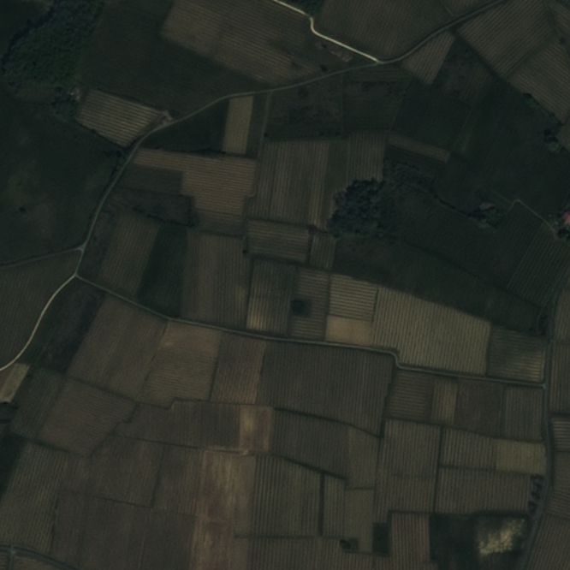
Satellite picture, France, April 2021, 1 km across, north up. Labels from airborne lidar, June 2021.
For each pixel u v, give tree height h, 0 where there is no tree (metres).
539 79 0
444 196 0
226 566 0
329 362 0
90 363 0
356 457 0
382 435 0
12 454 0
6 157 0
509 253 0
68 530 0
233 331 0
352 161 0
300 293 0
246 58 0
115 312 0
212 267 0
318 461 0
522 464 0
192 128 0
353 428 0
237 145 0
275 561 0
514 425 0
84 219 0
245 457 0
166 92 0
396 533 0
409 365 0
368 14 0
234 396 0
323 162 0
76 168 0
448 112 0
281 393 0
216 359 0
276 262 0
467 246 0
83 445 0
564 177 0
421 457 0
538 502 12
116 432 0
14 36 0
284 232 0
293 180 0
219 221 0
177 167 0
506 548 0
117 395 0
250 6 0
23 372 0
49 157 0
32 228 0
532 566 0
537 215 0
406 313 0
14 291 0
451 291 0
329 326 0
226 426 0
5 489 0
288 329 0
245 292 0
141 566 0
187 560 0
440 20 0
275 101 0
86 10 21
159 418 0
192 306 0
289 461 0
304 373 0
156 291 0
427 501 0
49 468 0
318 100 0
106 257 0
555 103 0
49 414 0
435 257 0
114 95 0
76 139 5
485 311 0
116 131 0
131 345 0
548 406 0
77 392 0
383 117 0
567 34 0
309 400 0
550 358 0
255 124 0
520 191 0
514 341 0
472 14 0
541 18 0
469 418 0
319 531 0
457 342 0
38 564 0
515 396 0
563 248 0
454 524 0
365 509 0
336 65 0
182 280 0
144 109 0
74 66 13
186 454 0
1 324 0
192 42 0
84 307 0
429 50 0
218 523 0
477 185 0
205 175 0
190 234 0
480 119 0
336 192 0
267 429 0
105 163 0
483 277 0
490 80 0
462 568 0
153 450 0
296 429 0
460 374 0
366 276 0
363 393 0
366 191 10
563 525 0
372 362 0
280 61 0
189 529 0
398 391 0
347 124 0
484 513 0
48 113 0
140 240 0
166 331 0
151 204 0
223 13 0
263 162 0
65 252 0
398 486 0
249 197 0
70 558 0
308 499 0
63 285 0
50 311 0
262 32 0
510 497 0
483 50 0
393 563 0
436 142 0
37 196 0
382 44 0
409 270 0
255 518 0
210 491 0
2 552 0
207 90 0
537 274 0
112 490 0
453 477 0
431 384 0
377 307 0
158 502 0
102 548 0
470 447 0
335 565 0
